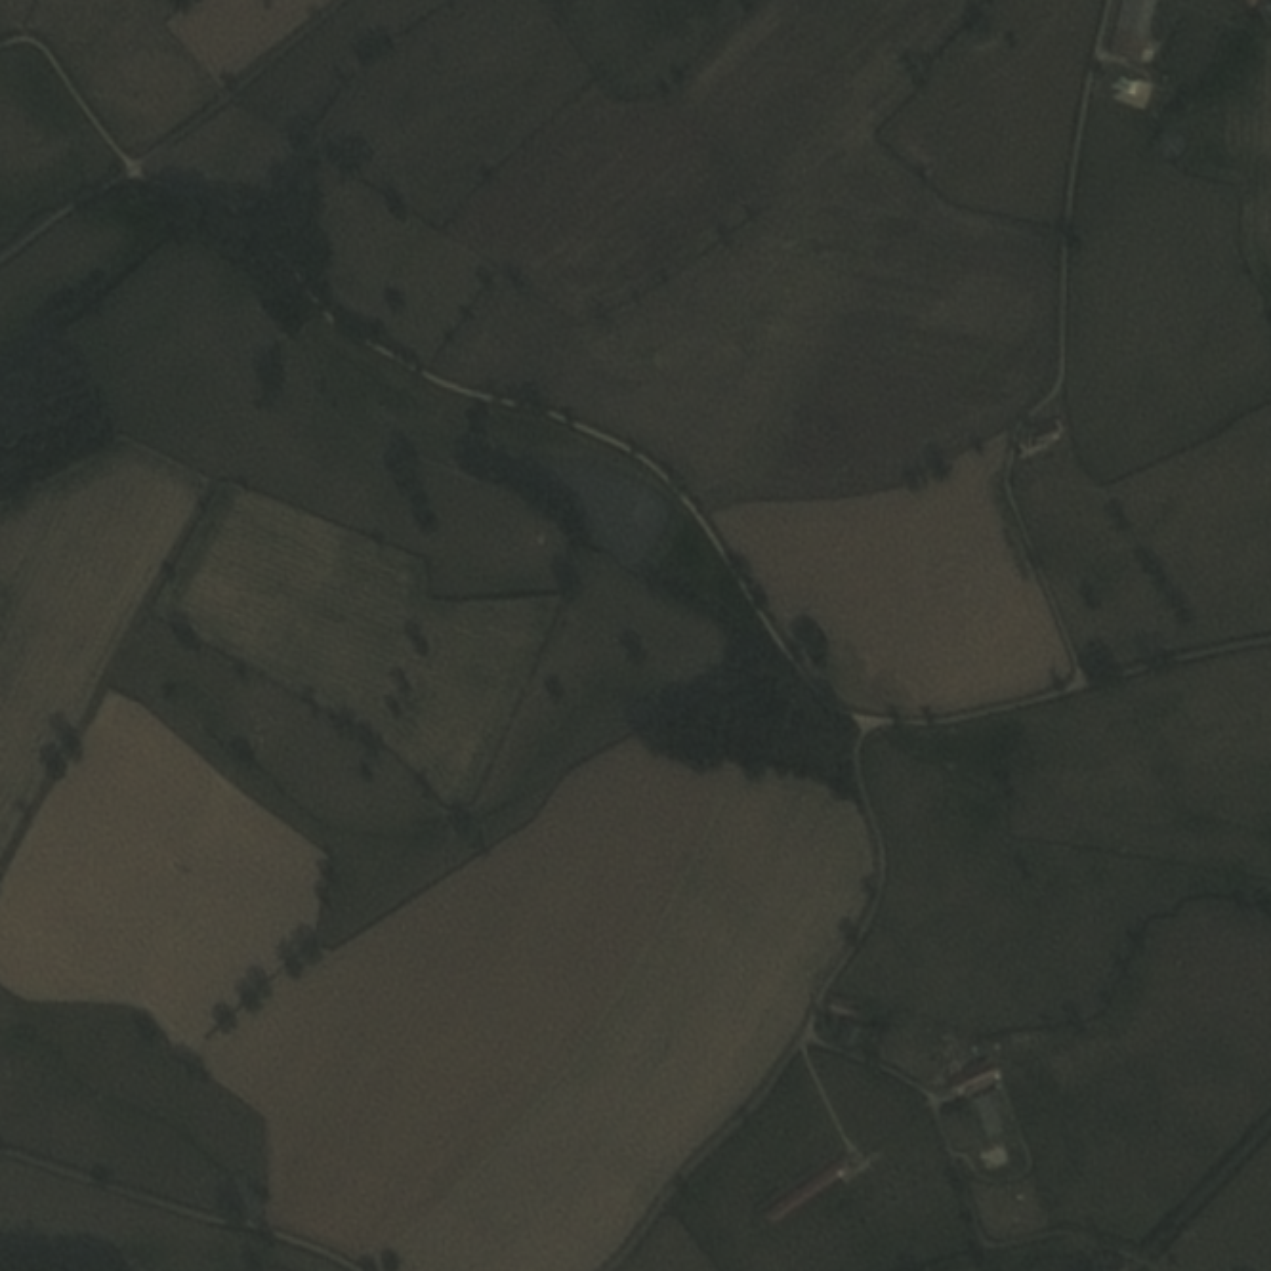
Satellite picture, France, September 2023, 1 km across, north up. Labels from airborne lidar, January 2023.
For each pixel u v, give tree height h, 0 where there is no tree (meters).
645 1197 0
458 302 0
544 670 0
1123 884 0
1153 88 0
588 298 0
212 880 0
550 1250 0
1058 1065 0
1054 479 0
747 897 0
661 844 0
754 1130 0
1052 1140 0
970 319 0
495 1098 0
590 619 0
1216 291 0
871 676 0
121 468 0
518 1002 0
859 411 0
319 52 0
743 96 0
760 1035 0
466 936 0
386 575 0
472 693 0
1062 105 0
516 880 0
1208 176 0
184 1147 0
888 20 0
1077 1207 0
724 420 0
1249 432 0
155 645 0
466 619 0
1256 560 0
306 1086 0
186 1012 0
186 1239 0
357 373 0
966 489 0
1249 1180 0
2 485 18
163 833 0
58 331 18
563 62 0
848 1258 0
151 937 0
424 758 0
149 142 0
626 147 0
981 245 0
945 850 0
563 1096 0
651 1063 0
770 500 0
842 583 0
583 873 0
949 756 0
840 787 16
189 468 0
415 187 0
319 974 0
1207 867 0
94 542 0
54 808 0
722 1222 0
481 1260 0
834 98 0
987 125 0
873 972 0
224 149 0
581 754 0
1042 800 0
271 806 0
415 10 0
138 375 0
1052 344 0
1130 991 0
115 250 0
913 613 0
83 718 0
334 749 0
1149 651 20
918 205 0
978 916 0
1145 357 0
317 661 0
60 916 0
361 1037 0
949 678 0
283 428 0
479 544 0
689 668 0
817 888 0
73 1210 0
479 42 0
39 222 0
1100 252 0
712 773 0
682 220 0
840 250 0
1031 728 0
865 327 0
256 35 0
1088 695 0
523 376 0
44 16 0
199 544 0
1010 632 0
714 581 0
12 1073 0
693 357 0
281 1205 0
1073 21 0
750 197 0
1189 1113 0
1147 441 0
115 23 0
